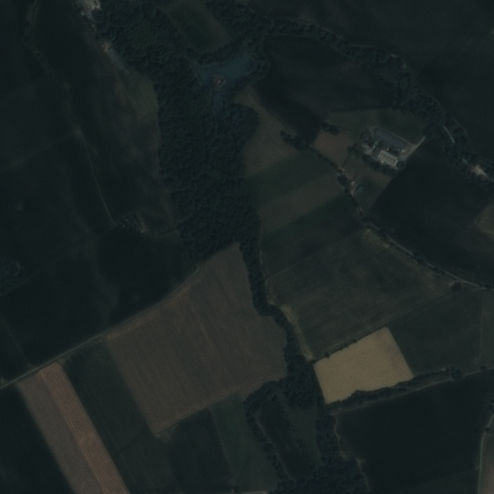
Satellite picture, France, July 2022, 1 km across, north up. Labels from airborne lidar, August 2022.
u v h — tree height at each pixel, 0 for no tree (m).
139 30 29
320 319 0
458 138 14
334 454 24
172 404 0
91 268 0
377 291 0
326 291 0
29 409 0
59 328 0
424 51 0
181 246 0
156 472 0
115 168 0
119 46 22
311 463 9
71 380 0
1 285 25
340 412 0
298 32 15
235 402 0
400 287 0
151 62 17
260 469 0
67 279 0
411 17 0
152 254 0
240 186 23
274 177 0
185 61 21
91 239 0
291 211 0
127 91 0
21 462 0
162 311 0
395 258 0
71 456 0
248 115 25
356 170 0
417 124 0
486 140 0
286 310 0
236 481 0
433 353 0
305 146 8
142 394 0
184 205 16
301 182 0
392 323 0
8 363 0
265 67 18
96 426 0
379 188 0
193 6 0
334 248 0
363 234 0
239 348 0
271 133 0
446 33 0
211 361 0
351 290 0
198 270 0
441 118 30
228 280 0
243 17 18
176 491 0
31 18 0
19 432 0
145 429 0
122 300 0
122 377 0
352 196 9
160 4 20
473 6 0
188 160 26
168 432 0
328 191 0
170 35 17
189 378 0
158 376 0
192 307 0
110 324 0
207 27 0
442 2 0
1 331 0
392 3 0
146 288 0
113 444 0
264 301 21
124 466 0
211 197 22
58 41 0
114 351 0
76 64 0
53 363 0
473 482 0
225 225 19
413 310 0
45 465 0
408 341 0
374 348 0
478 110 0
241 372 0
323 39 17
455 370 9
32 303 0
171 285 0
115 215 0
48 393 0
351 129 0
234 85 16
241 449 0
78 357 0
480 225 0
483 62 0
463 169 10
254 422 19
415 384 6
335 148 0
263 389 13
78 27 0
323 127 12
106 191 0
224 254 0
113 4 18
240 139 13
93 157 0
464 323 0
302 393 10
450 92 0
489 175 18
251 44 15
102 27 24
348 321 0
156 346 0
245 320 0
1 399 0
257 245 22
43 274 0
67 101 0
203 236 20
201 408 0
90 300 0
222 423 0
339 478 22
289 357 17
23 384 0
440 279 0
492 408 11
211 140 25
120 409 0
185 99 11
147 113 0
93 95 0
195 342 0
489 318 0
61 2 0
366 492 17
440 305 0
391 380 0
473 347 0
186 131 14
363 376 0
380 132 0
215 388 0
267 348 0
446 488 0
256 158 0
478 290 0
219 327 0
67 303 0
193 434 0
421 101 28
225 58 14
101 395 0
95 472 0
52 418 0
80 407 0
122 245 0
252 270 18
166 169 7
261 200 0
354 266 0
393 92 16
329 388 0
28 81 0
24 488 0
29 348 0
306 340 0
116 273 0
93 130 0
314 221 0
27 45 13
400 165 14
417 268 0
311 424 0
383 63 25
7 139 0
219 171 26
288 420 9
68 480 0
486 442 0
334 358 0
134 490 0
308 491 25
